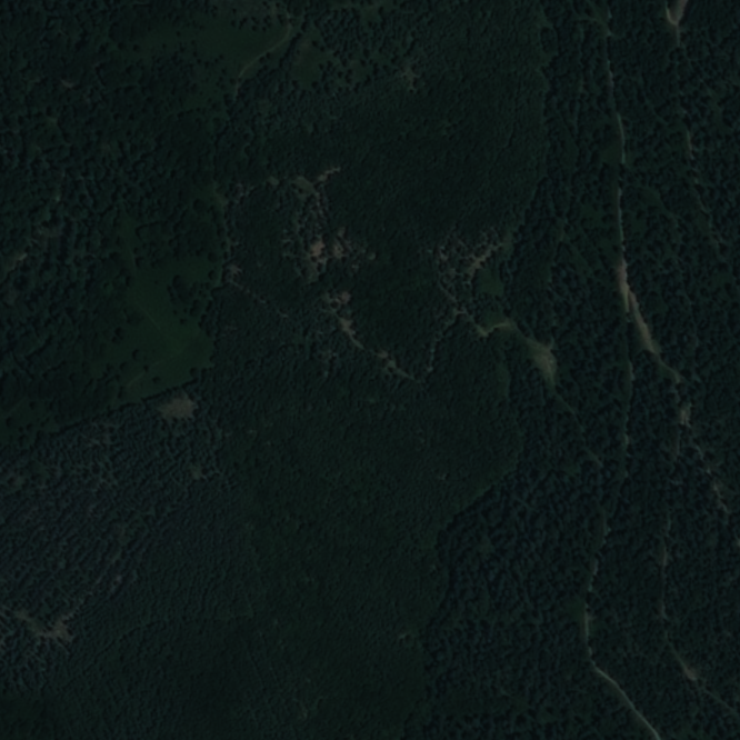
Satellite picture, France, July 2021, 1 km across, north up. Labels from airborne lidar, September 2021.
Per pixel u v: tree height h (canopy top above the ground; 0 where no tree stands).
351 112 18
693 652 9
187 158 14
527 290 15
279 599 13
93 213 22
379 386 23
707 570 14
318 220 16
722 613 11
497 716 10
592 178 15
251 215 18
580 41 22
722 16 18
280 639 15
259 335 20
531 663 22
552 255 14
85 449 19
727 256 18
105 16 20
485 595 21
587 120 22
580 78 9
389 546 10
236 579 20
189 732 13
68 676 11
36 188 26
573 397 16
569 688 16
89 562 20
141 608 20
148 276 0
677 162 8
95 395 15
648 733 10
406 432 13
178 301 10
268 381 23
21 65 21
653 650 14
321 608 15
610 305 22
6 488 17
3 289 13
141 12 27
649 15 15
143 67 13
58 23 25
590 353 25
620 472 15
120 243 17
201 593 19
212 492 22
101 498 16
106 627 20
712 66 13
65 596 17
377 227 23
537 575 18
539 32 17
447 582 17
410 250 25
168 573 19
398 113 19
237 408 17
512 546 32
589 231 17
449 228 20
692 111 38
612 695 9
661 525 10
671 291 15
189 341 0
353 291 21
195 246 18
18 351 28
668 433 9
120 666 7
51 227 24
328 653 17
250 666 15
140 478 18
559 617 17
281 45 0
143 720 20
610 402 31
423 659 12
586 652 15
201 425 17
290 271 21
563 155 12
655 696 14
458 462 14
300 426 14
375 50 10
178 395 16
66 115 22
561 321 7
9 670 25
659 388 9
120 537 20
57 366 20
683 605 13
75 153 25
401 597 18
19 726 16
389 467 17
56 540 10
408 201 21
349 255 17
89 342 21
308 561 14
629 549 17
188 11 14
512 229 7
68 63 27
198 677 9
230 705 19
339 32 18
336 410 13
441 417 13
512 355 20
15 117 31
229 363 20
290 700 13
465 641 24
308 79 0
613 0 16
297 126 7
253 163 20
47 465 17
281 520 17
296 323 23
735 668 15
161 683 16
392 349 21
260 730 15
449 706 20
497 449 20
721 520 7
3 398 13
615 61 17
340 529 14
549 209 25
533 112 21
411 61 6
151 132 22
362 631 16
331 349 20
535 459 18
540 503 15
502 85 16
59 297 27
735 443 12
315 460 15
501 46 19
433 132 21
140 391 0
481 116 18
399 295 23
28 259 8
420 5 16
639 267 20
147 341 0
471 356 23
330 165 19
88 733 23
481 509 23
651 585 14
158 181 26
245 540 15
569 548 10
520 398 27
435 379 22
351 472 13
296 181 14
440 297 20
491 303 20
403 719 14
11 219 27
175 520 18
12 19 23
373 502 16
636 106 19
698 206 16
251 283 16
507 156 23
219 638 15
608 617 11
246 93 17
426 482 16
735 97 15
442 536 20
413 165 20
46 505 20
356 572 15
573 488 7
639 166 15
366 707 18
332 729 15
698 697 11
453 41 21
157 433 17
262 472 15
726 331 27
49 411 7
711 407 14
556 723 15
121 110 24
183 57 7
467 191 16
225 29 0
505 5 18
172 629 21
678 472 11
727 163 20
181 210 19
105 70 20
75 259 20
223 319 14
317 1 13
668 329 19
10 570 18
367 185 21
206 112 11
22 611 22
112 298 23
